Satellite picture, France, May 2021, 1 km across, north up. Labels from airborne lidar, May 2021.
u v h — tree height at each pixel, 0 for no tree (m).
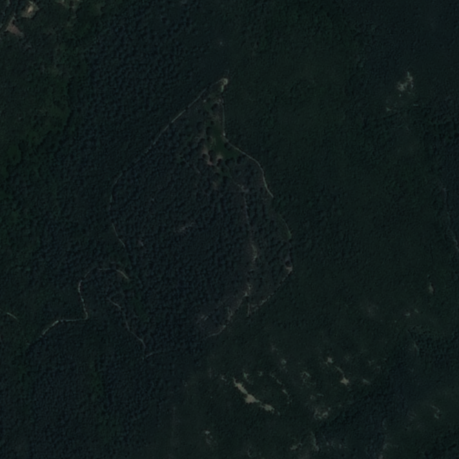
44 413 21
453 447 20
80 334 9
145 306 19
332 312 6
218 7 6
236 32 6
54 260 20
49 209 17
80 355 7
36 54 19
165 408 6
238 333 8
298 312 8
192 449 7
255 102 10
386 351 11
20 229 13
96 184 10
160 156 18
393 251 11
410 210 11
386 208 11
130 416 9
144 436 7
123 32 19
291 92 15
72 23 7
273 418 8
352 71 18
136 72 21
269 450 7
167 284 17
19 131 16
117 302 13
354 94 11
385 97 6
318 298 10
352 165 8
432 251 10
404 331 15
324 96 8
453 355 14
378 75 9
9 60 20
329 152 11
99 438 11
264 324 5
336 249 10
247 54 7
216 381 10
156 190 17
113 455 13
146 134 8
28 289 11
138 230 18
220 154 0
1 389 20
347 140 13
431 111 15
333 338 8
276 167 8
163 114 7
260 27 11
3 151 11
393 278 9
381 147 15
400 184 13
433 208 12
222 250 19
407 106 7
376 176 9
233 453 6
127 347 9
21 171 19
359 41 7
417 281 12
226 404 6
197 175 22
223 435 7
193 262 18
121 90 20
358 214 7
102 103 20
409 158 9
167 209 18
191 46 6
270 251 6
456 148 13
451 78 6
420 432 7
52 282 8
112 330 6
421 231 6
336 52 8
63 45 15
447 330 8
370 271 10
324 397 8
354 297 15
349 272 7
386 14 5
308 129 7
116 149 12
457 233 10
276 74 8
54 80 6
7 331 15
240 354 7
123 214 19
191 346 17
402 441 6
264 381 7
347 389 11
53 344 12
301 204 9
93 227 14
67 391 20
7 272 10
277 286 12
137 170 17
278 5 13
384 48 7
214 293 7
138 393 12
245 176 6
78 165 14
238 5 10
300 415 9
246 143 8
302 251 8
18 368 9
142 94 17
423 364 7
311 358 7
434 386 6
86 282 12
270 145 7
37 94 13
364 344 6
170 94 9
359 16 9
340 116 8
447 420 6
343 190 8
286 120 8
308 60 6
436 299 13
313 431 6
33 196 13
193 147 14
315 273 6
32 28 17
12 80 19
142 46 7
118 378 20
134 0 8
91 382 13
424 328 11
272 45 10
